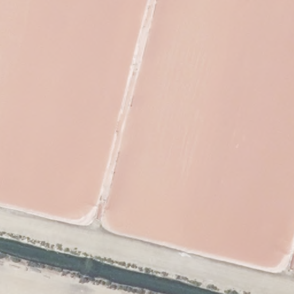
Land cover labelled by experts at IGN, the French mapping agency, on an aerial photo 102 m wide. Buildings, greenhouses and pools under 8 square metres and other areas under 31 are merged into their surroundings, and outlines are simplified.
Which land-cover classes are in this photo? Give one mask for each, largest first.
<instances>
[{"label":"water","instance_id":"1","mask_svg":"<svg viewBox=\"0 0 294 294\"><path fill-rule=\"evenodd\" d=\"M147 0H0V202L73 219L86 215L94 206L105 173L117 114L121 108L127 73ZM106 218L109 225L115 227L121 235H141L148 239L167 241L189 249L264 266H276L281 261L291 246L294 234V0H156L152 26L148 32L122 147L117 155L107 198ZM10 256L14 262L25 260L32 268L77 271L79 278L84 274L92 280L98 277L105 278L109 283L136 286L163 294H222L168 278L117 268L95 261L94 258L88 257L56 253L54 250L42 249L28 243L0 238V258Z\"/></svg>","mask_w":294,"mask_h":294},{"label":"pervious surface","instance_id":"2","mask_svg":"<svg viewBox=\"0 0 294 294\"><path fill-rule=\"evenodd\" d=\"M156 0H147L127 73L121 108L117 114L105 173L94 206L86 215L73 219L0 202V232L26 235L33 240L46 241L51 245L60 243L62 248H76L88 257L94 258H111L114 261L136 264L141 268L167 272L168 278L222 294H294V234L291 246L281 261L276 266H264L189 249L167 241L148 239L141 235H121L115 227L109 225L106 218L107 198L117 155L122 147L148 32L152 26ZM77 271L32 268L25 260L14 262L10 256L0 258V294H137L94 284L92 281L80 283L79 278Z\"/></svg>","mask_w":294,"mask_h":294},{"label":"herbaceous vegetation","instance_id":"3","mask_svg":"<svg viewBox=\"0 0 294 294\"><path fill-rule=\"evenodd\" d=\"M0 238L28 243L42 249L54 250L56 253L88 257L76 248H62L60 243L51 245L46 241L33 240L26 235L0 232ZM95 261L117 268L168 278L167 272L141 268L136 264L114 261L111 258H94ZM80 283L92 281L94 284L137 294H163L136 286L109 283L105 278L98 277L92 280L84 274L79 278Z\"/></svg>","mask_w":294,"mask_h":294}]
</instances>
